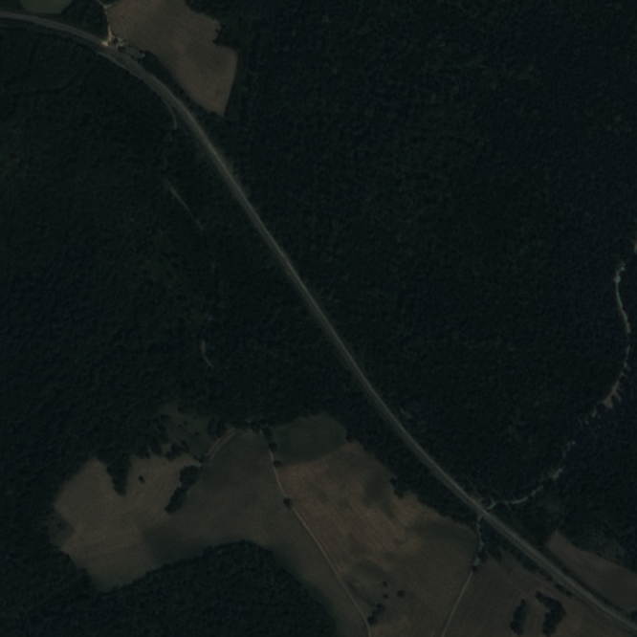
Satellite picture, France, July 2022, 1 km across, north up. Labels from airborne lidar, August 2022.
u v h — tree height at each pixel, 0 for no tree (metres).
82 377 19
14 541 19
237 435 0
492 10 15
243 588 16
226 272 10
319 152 11
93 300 25
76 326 30
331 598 0
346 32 18
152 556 0
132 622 16
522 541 0
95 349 24
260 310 8
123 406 22
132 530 0
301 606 9
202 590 17
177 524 0
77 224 28
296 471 0
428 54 6
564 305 11
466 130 14
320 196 19
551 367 12
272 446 16
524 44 19
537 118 16
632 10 10
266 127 12
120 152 18
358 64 18
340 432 0
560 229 12
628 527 17
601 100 15
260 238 15
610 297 22
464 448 9
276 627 16
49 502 12
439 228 8
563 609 12
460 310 16
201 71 0
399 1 6
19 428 25
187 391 16
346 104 8
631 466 13
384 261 11
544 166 15
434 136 14
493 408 10
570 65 15
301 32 12
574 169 21
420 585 0
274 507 0
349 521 0
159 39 0
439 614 0
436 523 0
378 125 13
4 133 14
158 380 22
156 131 8
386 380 10
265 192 15
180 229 14
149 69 13
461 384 10
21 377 28
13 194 22
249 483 0
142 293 16
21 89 16
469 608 0
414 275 14
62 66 16
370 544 0
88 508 0
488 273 7
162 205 14
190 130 7
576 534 13
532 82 13
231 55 0
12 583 13
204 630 17
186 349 23
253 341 19
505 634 0
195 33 0
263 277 10
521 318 10
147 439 16
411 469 17
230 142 21
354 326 11
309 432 0
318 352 10
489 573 0
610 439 16
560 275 11
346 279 6
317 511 0
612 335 17
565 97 16
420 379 15
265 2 22
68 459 17
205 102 0
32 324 20
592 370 15
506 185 14
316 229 22
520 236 6
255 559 18
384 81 13
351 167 22
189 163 18
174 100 0
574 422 17
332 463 0
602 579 0
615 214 27
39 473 22
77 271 28
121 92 14
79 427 15
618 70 17
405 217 17
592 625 0
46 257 20
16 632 16
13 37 12
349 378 19
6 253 19
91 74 13
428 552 0
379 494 0
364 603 0
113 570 0
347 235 8
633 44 13
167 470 0
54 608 8
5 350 28
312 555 0
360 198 15
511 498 16
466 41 8
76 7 12
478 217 7
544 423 18
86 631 13
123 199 14
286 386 8
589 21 13
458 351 6
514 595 0
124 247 20
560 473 0
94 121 20
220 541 0
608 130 12
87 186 18
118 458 8
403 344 20
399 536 0
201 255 13
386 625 0
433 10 8
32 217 27
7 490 24
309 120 22
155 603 16
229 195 12
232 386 19
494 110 14
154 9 0
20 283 29
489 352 11
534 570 13
